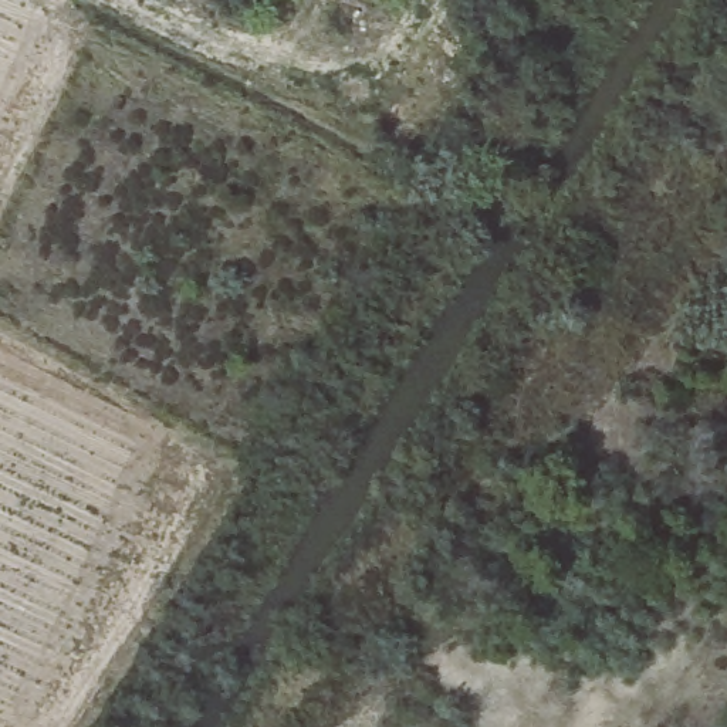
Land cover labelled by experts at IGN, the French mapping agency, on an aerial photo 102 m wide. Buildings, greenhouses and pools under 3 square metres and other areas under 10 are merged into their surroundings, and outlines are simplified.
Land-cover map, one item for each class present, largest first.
<instances>
[{"label":"brushwood","instance_id":"1","mask_svg":"<svg viewBox=\"0 0 727 727\"><path fill-rule=\"evenodd\" d=\"M227 17V28L244 34H270L281 28L295 14V0H213ZM653 0H446V23L440 26V34L457 45L452 60L454 82L440 85V108L432 111L429 119L417 122L415 133L400 131L395 114L378 119V131L383 136L375 142L372 151H364V162L369 165L366 176L381 182L375 204H364V216H355L352 227H335L329 233L338 244L335 253L321 250L315 239L304 230L307 224H324L329 219V204H315L312 210L298 213L293 202L278 199L264 213V230L270 236V244L261 250V256L224 261L213 250L210 227L216 219L253 207L256 190L264 185V179L261 173L239 170L236 162H227L224 136L204 145L202 139H193V125L159 122V151L148 162H142L131 176H125L116 190L99 199V207L119 204L114 227L133 244L131 253H122L111 241L94 244V267L88 278H68L51 287L48 301L65 298L74 307L77 318L105 324V329L114 338V349L122 352L125 364L151 369L165 383L179 381L176 369L182 364L204 366L213 378H241L239 392L241 400L250 403L253 415V423L244 426L247 437H233L227 446L241 477V491L233 503V511L222 520L213 540L196 557L182 591L173 599H168L162 605L159 619L148 625L151 633L139 642L131 670L116 684V690L105 696L102 713L88 727H190L196 721V707L216 690H222V696L233 704V710L222 716L219 727H338L349 718L344 713V704H352L349 684L344 679H321L318 670L301 673L295 667V659L310 650L312 639H346L349 645L361 647L369 636H423L426 625L395 599L389 576L398 571V565L406 562V554L420 540L423 528L434 525L437 517H449L452 523L463 525L466 517H471L486 525L491 517H508L505 500L523 491L517 471L528 469L537 454H562L565 460H574V471L582 480L596 477L599 463H605L622 477V488L636 491V503L645 505L653 500L670 503L682 494H693L701 505L721 503V497H727V400L710 412H687V406L696 400V389L679 383L670 372L679 361V327L684 321V304L673 307L676 287L687 278H704L710 270L718 275V287H727V0H682L670 28L650 48L645 62L633 71L630 88L619 97L613 111H608L605 125L599 136L591 142L588 153L576 162L574 173L559 190H551V151L562 142L565 131L574 125V116L585 108L588 94L602 82L608 60L639 26L645 9ZM508 239H514L517 250L514 264L508 273L500 275L483 315L471 324L454 364L443 375V383L429 395L426 406L420 409L409 432L398 437L386 469L372 474L369 491L355 520L335 540L321 568L310 574L307 591L301 594L298 605L273 613L270 642L256 670L250 676H239L233 656L236 642H241V636L253 625L258 605L278 585V576L295 542L312 520L315 503L327 491L341 486V474L349 466L358 429L378 415V406L395 389L400 369L409 366L420 335L452 304L466 275L488 258L491 241L497 244ZM250 307H273L278 312L293 315L312 312L321 321V329L298 341L258 344V335L247 312ZM97 156L91 142L82 139L77 162L62 176V202L48 204L45 210L40 239L43 258L65 253L68 261H80V219L85 216L82 199L102 182V168L97 173H88ZM704 628H713L716 642H727V611H699L693 596L682 611H673L659 622L653 642H636L639 662L645 667L659 653L673 650L679 636L699 642L704 636ZM659 727H727V704L721 713L710 704H679L670 710V716H665Z\"/></svg>","mask_w":727,"mask_h":727},{"label":"herbaceous vegetation","instance_id":"2","mask_svg":"<svg viewBox=\"0 0 727 727\"><path fill-rule=\"evenodd\" d=\"M23 6H37L45 17H62L71 23L68 51L74 54V60L68 65V77L62 82L57 108L43 125L40 139L28 153L23 173L17 176L14 193L9 199V207L0 219V321H6L17 338L31 341L37 349H51L57 361L85 369L99 383H114L125 389L139 415L153 417L168 429L185 426L190 432L187 440L199 443L207 471L204 488L193 497L185 517L193 525V531L187 534L182 554L176 557L165 579L153 585L151 599L142 608V619L133 625L125 645L108 662L99 687L94 690V696L85 699L71 727H88L102 713L105 696L116 690V684L131 670L139 642L151 633L148 625L159 619L162 605L168 599H173L182 591L196 557L213 540L222 520L233 511V503L241 491V477L227 446L233 437H247L244 426L253 423V415L250 403L241 400L239 392L241 378H213L204 366L182 364L176 369L179 381L165 383L151 369L125 364L122 352L114 349V338L105 329V324L77 318L74 307L65 298L48 301L51 287L68 278H88L94 267V244L111 241L122 253H131L133 244L114 227L119 204L99 207V199L116 190L125 176H131L142 162H148L159 151V122L193 125V139H202L204 145L224 136L227 162H236L239 170L261 173L264 179V185L256 190L253 207L216 219L210 227L213 250L224 261L261 256V250L270 244V236L264 230V213L278 199L293 202L298 213L312 210L315 204H329V219L324 224H307L304 230L315 239L321 250L335 253L338 244L329 233L335 227H352L355 216H364V204H375L381 182L366 176L369 165L364 162V151H372L375 142L383 136L378 131V119L395 114L400 131L415 133L417 122L429 119L432 111L440 108V85L454 82L452 60L457 45L440 34V26L446 23V0H295V14L281 28L270 34H244L227 28V17L213 0H23ZM82 139L91 142L97 156L88 173H97L102 168V182L82 199L85 216L80 219V261H68L65 253L43 258L40 239L45 210L48 204L62 202V176L77 162ZM247 312L258 335V344L298 341L321 329V321L312 312L293 315L278 312L273 307H250ZM429 665L440 670V682L449 687H466L480 699V727H659L665 716H670V710L679 704H710L721 713L727 704V642H716L713 628H704V636L699 642L679 636L673 650L659 653L645 667L633 684H625L619 676H596L582 679L579 690L571 693L565 687L568 673L531 665L528 656L494 665L474 662L466 647L449 653L434 650L429 656ZM386 713L383 696H369L361 704V710L349 718L338 727H378Z\"/></svg>","mask_w":727,"mask_h":727},{"label":"deciduous trees","instance_id":"3","mask_svg":"<svg viewBox=\"0 0 727 727\"><path fill-rule=\"evenodd\" d=\"M718 275L710 270L704 278H687L676 287L673 307L684 304V321L679 327V361L670 372L679 383L696 389V400L687 406V412H710L727 400V287H718ZM523 491L505 500L508 517H491L486 525L471 517H466L463 525L452 523L449 517H437L434 525L423 528L420 540L406 554V562L398 565V571L389 576L395 599L426 625L423 636H369L361 647L349 645L346 639H312L310 650L295 659V667L301 673L318 670L321 679H344L349 684L352 704H344V713L349 718L361 710V704L369 696H383L386 713L378 727H480V699L466 687H449L440 682V670L429 665V656L434 650L449 653L466 647L474 662L494 665L528 656L531 665L568 673L565 687L571 693L579 690L582 679L596 676H619L625 684H633L645 667L639 662L636 642H653L659 622L673 611H682L693 596L699 611H727V497H721V503L701 505L693 494H682L670 503L653 500L645 505L636 503V491L622 488V477L605 463H599L596 477L582 480L574 471V460H565L562 454H537L528 469L517 471Z\"/></svg>","mask_w":727,"mask_h":727},{"label":"vineyard","instance_id":"4","mask_svg":"<svg viewBox=\"0 0 727 727\"><path fill-rule=\"evenodd\" d=\"M71 23L62 17H45L37 6H23V0H0V219L9 207V199L14 193L17 176L23 173L28 153L40 139L43 125L57 108L62 82L68 77V65L74 60V54L68 51ZM190 432L185 426L168 429L153 417L139 415L125 389L114 383H99L85 369L57 361L51 349H37L31 341L17 338L6 321H0V727H71L85 699L94 696V690L99 687L108 662L125 645L133 625L142 619V608L151 599L153 585L165 579L176 557L182 554L187 534L193 531V525L185 517L193 497L204 488L207 471L199 443L187 440Z\"/></svg>","mask_w":727,"mask_h":727},{"label":"water","instance_id":"5","mask_svg":"<svg viewBox=\"0 0 727 727\"><path fill-rule=\"evenodd\" d=\"M682 0H653L645 9L639 26L608 60L602 82L588 94L585 108L574 116V125L565 131L562 142L551 151V190H559L574 173L576 162L588 153L591 142L599 136L605 125L608 111H613L619 97L630 88L633 71L645 62L650 48L670 28ZM517 250L514 239H508L497 244L491 241L488 258L466 275L452 304L420 335L409 366L400 369L395 389L378 406V415L358 429L349 466L341 474V486L327 491L315 503L312 520L295 542L278 576V585L258 605L253 625L241 636V642H236L233 656L239 676H250L256 670L270 642L273 613L298 605L301 594L307 591L310 574L321 568L335 540L355 520L369 491L372 474L386 469L398 437L409 432L420 409L426 406L429 395L443 383V375L454 364L471 324L483 315L500 275L508 273L514 264ZM233 710V704L222 696V690H216L196 707V721L190 727H219L222 716Z\"/></svg>","mask_w":727,"mask_h":727}]
</instances>
